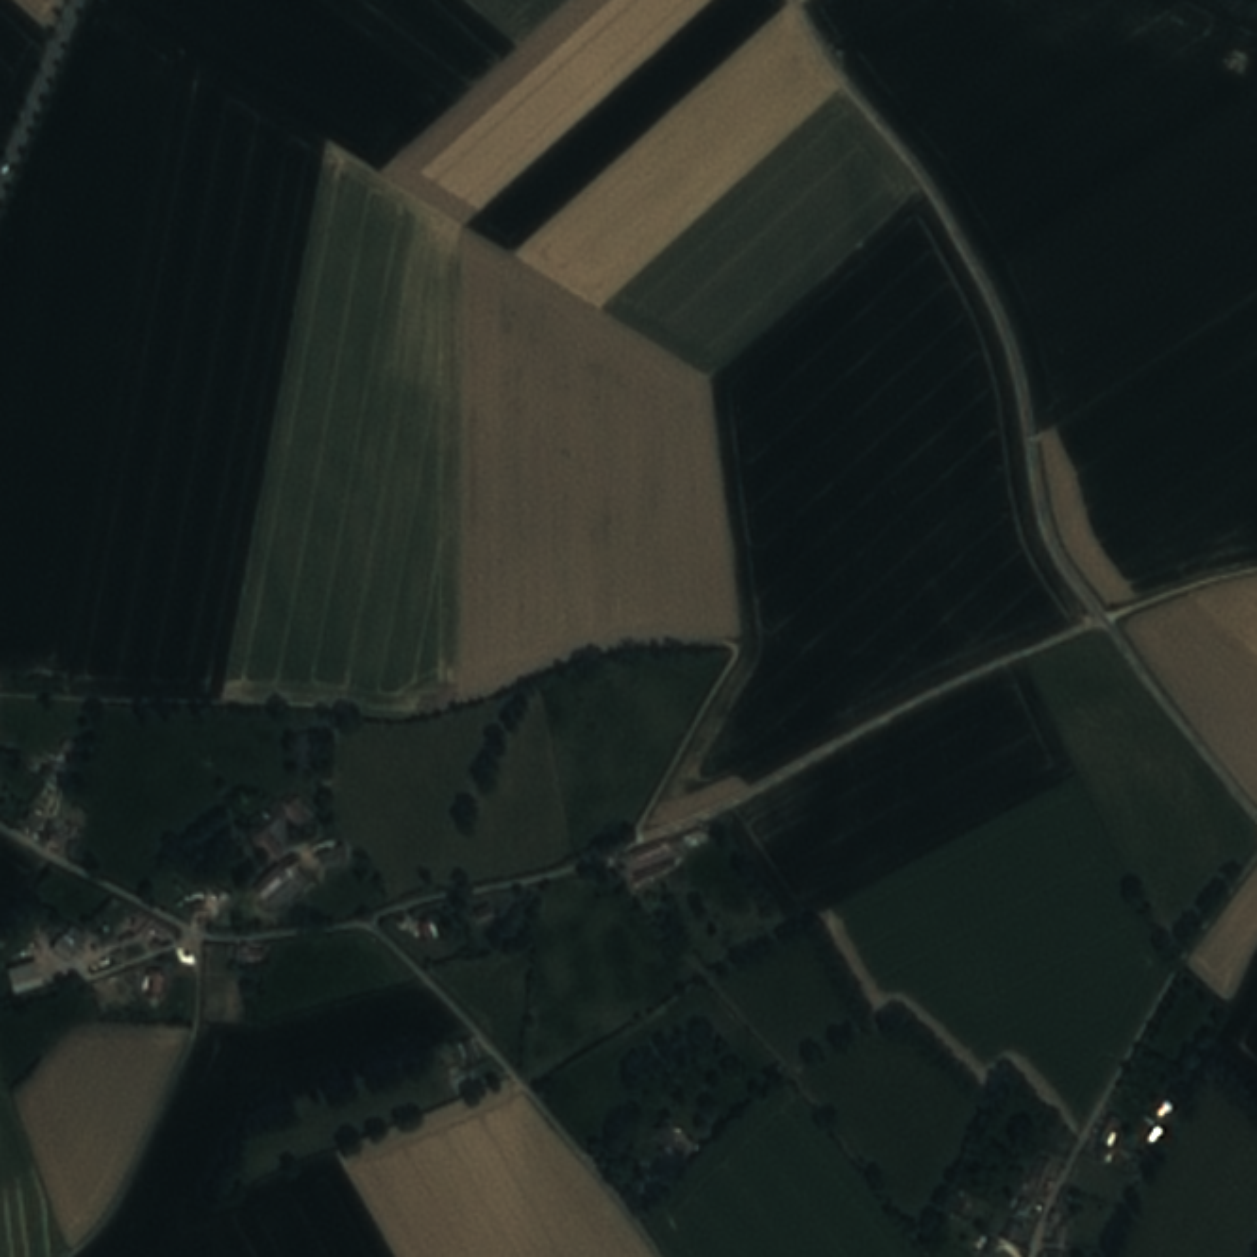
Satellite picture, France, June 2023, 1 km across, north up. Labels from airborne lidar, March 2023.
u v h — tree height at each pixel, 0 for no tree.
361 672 0
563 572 0
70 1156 0
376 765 0
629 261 0
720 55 0
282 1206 0
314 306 0
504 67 0
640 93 0
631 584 0
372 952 0
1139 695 0
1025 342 0
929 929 0
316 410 0
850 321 0
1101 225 0
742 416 0
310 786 0
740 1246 0
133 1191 0
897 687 0
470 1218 0
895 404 0
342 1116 0
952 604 0
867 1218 0
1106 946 0
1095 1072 0
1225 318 0
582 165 0
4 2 0
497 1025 0
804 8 0
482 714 0
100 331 0
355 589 0
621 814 0
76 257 0
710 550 0
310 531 0
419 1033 0
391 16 0
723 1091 0
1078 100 0
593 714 0
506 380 0
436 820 0
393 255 0
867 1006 15
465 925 13
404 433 0
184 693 0
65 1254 0
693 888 0
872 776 0
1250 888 0
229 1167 13
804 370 0
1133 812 0
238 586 0
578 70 0
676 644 15
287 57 0
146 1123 0
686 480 0
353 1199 0
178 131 0
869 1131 0
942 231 0
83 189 0
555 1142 0
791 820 0
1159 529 0
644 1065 23
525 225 0
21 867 0
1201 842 0
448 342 0
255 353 0
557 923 0
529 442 0
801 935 14
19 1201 0
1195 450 0
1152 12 0
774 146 0
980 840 0
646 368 0
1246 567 0
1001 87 0
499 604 0
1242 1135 0
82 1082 0
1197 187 0
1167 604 0
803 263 0
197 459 0
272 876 0
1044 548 0
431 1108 0
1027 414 0
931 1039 16
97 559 0
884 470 0
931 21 0
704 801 0
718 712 0
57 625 0
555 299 0
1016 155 0
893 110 0
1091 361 0
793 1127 0
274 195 0
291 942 0
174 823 0
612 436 0
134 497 0
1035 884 0
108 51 0
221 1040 0
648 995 0
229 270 0
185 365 0
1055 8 0
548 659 0
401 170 0
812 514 0
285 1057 0
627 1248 0
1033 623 0
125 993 0
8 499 0
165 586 0
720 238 0
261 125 0
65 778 21
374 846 0
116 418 0
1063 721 0
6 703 0
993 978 0
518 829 0
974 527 0
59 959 0
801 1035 0
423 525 0
